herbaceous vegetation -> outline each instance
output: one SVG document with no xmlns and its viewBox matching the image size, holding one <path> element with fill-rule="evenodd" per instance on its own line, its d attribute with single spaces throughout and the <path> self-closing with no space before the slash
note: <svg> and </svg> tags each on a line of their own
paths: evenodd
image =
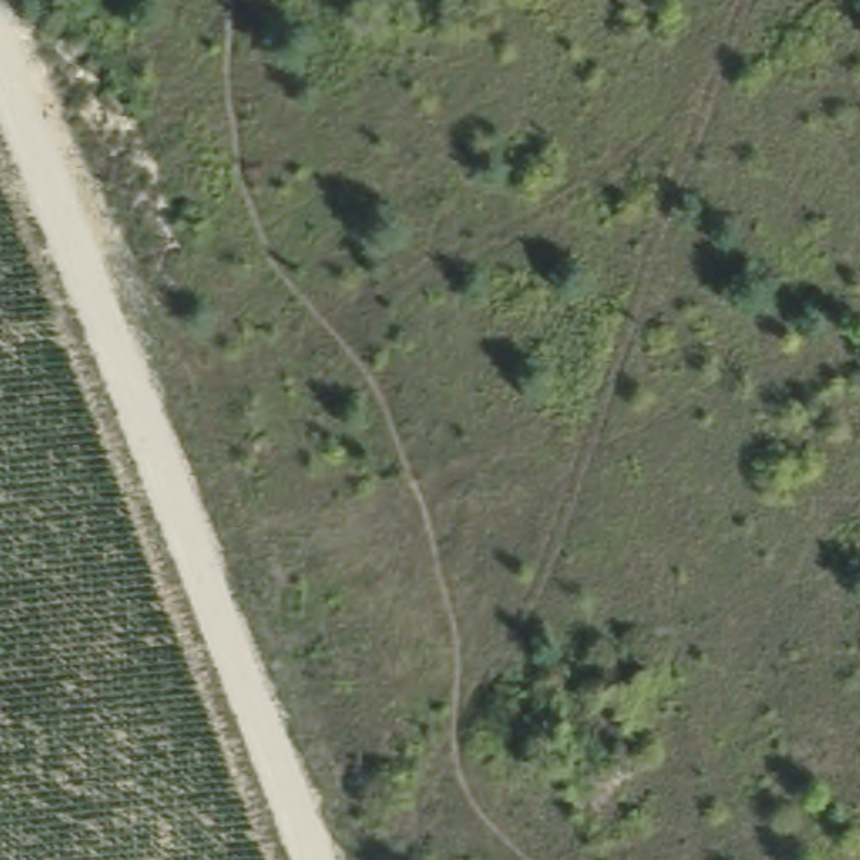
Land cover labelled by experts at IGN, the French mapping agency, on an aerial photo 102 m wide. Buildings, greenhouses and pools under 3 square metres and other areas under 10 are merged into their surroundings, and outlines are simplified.
<svg viewBox="0 0 860 860">
<path fill-rule="evenodd" d="M 836 326 L 823 316 L 813 323 L 813 329 L 800 336 L 800 353 L 786 353 L 786 336 L 763 333 L 759 323 L 742 316 L 742 309 L 732 299 L 702 286 L 692 269 L 699 225 L 679 222 L 672 212 L 658 208 L 658 181 L 672 178 L 682 188 L 699 188 L 716 208 L 726 212 L 726 252 L 742 252 L 746 259 L 763 255 L 773 269 L 783 269 L 783 279 L 789 286 L 820 286 L 823 292 L 843 299 L 850 309 L 860 312 L 860 67 L 847 71 L 840 67 L 840 60 L 833 60 L 813 64 L 806 71 L 783 71 L 769 81 L 769 87 L 759 97 L 749 97 L 736 81 L 726 81 L 719 67 L 719 47 L 753 54 L 766 27 L 793 17 L 793 10 L 783 0 L 679 0 L 685 7 L 685 30 L 679 34 L 669 30 L 662 20 L 658 27 L 648 27 L 645 7 L 638 0 L 628 0 L 621 13 L 628 20 L 628 30 L 618 34 L 601 24 L 581 47 L 571 50 L 558 47 L 554 34 L 538 27 L 534 17 L 514 13 L 501 27 L 507 47 L 497 54 L 490 50 L 490 40 L 353 40 L 346 27 L 333 37 L 319 37 L 319 27 L 309 27 L 306 34 L 292 37 L 292 44 L 282 50 L 259 50 L 249 34 L 235 30 L 232 13 L 222 0 L 161 0 L 171 10 L 168 27 L 131 47 L 131 57 L 141 57 L 144 64 L 138 87 L 148 87 L 144 104 L 151 114 L 138 121 L 131 131 L 91 128 L 74 141 L 81 148 L 87 171 L 101 185 L 111 218 L 131 249 L 134 275 L 144 286 L 148 312 L 134 326 L 148 366 L 158 380 L 165 417 L 181 443 L 202 507 L 222 548 L 232 601 L 249 625 L 252 645 L 282 709 L 286 736 L 302 763 L 302 773 L 309 786 L 319 793 L 319 816 L 333 843 L 346 857 L 356 850 L 359 840 L 376 836 L 396 853 L 413 847 L 420 860 L 773 860 L 756 840 L 753 813 L 753 773 L 766 763 L 766 756 L 789 756 L 803 769 L 810 769 L 813 786 L 830 786 L 830 793 L 843 800 L 836 803 L 836 820 L 847 823 L 850 833 L 860 833 L 860 585 L 843 588 L 833 571 L 820 564 L 820 541 L 860 548 L 860 403 L 840 396 L 830 403 L 833 427 L 850 427 L 847 443 L 833 443 L 830 430 L 813 430 L 813 423 L 806 423 L 796 433 L 796 440 L 806 443 L 806 457 L 796 457 L 793 464 L 806 467 L 810 460 L 823 460 L 823 477 L 796 490 L 796 504 L 766 507 L 759 490 L 746 487 L 739 474 L 742 443 L 749 443 L 759 433 L 786 437 L 783 417 L 766 410 L 759 390 L 786 380 L 810 380 L 816 366 L 843 363 L 847 349 L 840 343 Z M 279 84 L 272 84 L 272 81 L 265 77 L 265 67 L 282 67 L 282 71 L 292 71 L 296 77 L 302 77 L 306 91 L 302 91 L 299 97 L 289 97 L 289 94 L 286 94 L 286 91 L 282 91 Z M 494 121 L 494 134 L 474 138 L 474 148 L 487 151 L 487 171 L 467 171 L 450 151 L 450 128 L 467 114 Z M 544 134 L 548 144 L 568 151 L 568 175 L 558 188 L 541 195 L 541 205 L 517 205 L 521 185 L 507 185 L 507 148 L 517 148 L 527 134 Z M 363 181 L 380 195 L 380 232 L 366 249 L 373 269 L 356 269 L 349 252 L 339 245 L 343 222 L 329 212 L 316 185 L 316 175 L 343 175 Z M 188 249 L 185 242 L 178 242 L 171 222 L 165 218 L 171 198 L 198 198 L 202 222 L 215 222 L 215 242 L 208 249 Z M 524 255 L 527 235 L 561 245 L 571 255 L 571 272 L 595 272 L 601 279 L 598 292 L 588 302 L 571 306 L 564 286 L 548 286 L 544 275 L 531 269 Z M 454 292 L 447 286 L 443 272 L 433 265 L 433 255 L 440 252 L 474 265 L 474 279 L 467 289 Z M 188 319 L 171 316 L 161 302 L 171 289 L 195 292 L 198 312 Z M 558 376 L 558 403 L 531 403 L 524 383 L 511 386 L 480 349 L 480 339 L 511 339 L 517 346 L 527 336 L 541 336 L 541 349 L 527 363 L 534 376 Z M 326 406 L 309 393 L 309 383 L 316 380 L 349 386 L 356 393 L 349 417 L 326 413 Z M 635 658 L 642 675 L 655 672 L 658 665 L 669 669 L 672 692 L 658 695 L 652 705 L 658 712 L 672 712 L 672 719 L 655 719 L 645 726 L 652 742 L 669 746 L 665 763 L 645 773 L 645 779 L 625 783 L 615 793 L 615 803 L 608 803 L 605 810 L 591 810 L 591 800 L 574 800 L 571 816 L 561 816 L 554 810 L 554 800 L 564 800 L 564 793 L 551 786 L 551 773 L 538 769 L 531 759 L 514 759 L 504 746 L 511 719 L 521 709 L 521 702 L 527 699 L 541 709 L 554 709 L 554 695 L 551 689 L 544 689 L 541 679 L 534 682 L 534 689 L 521 689 L 524 652 L 507 635 L 507 628 L 497 625 L 494 608 L 534 615 L 541 618 L 541 628 L 551 625 L 568 642 L 578 625 L 591 625 L 598 632 L 598 642 L 588 648 L 588 662 L 598 669 L 618 665 L 625 658 Z M 363 816 L 349 816 L 343 789 L 346 756 L 393 756 L 393 736 L 403 736 L 406 756 L 417 766 L 403 773 L 376 773 L 373 783 L 363 789 Z"/>
<path fill-rule="evenodd" d="M 826 47 L 836 57 L 860 54 L 860 0 L 816 0 L 806 10 L 806 24 L 826 34 Z"/>
<path fill-rule="evenodd" d="M 813 813 L 803 800 L 773 816 L 773 830 L 796 836 L 803 843 L 806 860 L 850 860 L 843 840 L 830 840 L 820 830 L 820 813 Z"/>
</svg>

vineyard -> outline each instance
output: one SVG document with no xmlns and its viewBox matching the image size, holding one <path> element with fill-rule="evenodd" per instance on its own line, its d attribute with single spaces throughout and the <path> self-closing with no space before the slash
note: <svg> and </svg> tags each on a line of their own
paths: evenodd
<svg viewBox="0 0 860 860">
<path fill-rule="evenodd" d="M 47 235 L 37 215 L 30 212 L 30 202 L 24 198 L 20 168 L 0 131 L 0 860 L 292 860 L 275 826 L 255 763 L 249 756 L 239 719 L 222 689 L 222 675 L 202 635 L 178 564 L 168 551 L 161 521 L 155 517 L 155 507 L 148 501 L 138 460 L 121 430 L 118 406 L 104 386 L 84 323 L 71 306 L 60 269 L 47 255 Z"/>
</svg>

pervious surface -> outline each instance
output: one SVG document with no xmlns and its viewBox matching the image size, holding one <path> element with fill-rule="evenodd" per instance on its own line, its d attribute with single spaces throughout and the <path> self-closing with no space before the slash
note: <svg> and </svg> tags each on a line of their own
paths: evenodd
<svg viewBox="0 0 860 860">
<path fill-rule="evenodd" d="M 249 625 L 232 601 L 222 548 L 202 507 L 181 443 L 165 417 L 158 380 L 148 366 L 134 326 L 128 326 L 118 306 L 114 279 L 104 265 L 104 252 L 94 242 L 91 218 L 84 215 L 77 195 L 77 181 L 87 171 L 81 148 L 74 141 L 64 124 L 60 97 L 50 84 L 47 64 L 34 50 L 34 30 L 3 0 L 0 0 L 0 131 L 20 168 L 24 198 L 30 202 L 30 212 L 37 215 L 47 235 L 47 255 L 60 269 L 71 306 L 84 323 L 104 386 L 118 406 L 121 430 L 138 460 L 148 501 L 155 507 L 155 517 L 161 521 L 168 551 L 178 564 L 202 635 L 222 675 L 222 689 L 239 719 L 249 756 L 255 763 L 275 826 L 292 860 L 346 860 L 346 857 L 333 843 L 319 816 L 319 793 L 309 786 L 302 773 L 302 763 L 286 736 L 282 709 L 252 645 Z"/>
</svg>

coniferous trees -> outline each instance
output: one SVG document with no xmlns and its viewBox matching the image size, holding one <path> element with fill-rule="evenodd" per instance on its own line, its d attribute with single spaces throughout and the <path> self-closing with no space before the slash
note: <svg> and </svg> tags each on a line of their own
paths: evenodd
<svg viewBox="0 0 860 860">
<path fill-rule="evenodd" d="M 615 803 L 615 793 L 625 783 L 645 779 L 645 773 L 665 763 L 669 746 L 652 742 L 645 726 L 655 719 L 672 719 L 672 712 L 658 712 L 652 705 L 658 695 L 672 692 L 669 669 L 658 665 L 655 672 L 642 675 L 635 658 L 625 658 L 618 665 L 598 669 L 588 662 L 588 648 L 598 642 L 598 632 L 591 625 L 578 625 L 568 642 L 551 625 L 541 628 L 541 618 L 534 615 L 494 608 L 497 625 L 507 628 L 507 635 L 524 652 L 521 689 L 534 689 L 534 682 L 541 679 L 544 689 L 551 689 L 554 695 L 554 709 L 541 709 L 527 699 L 521 702 L 521 709 L 511 719 L 504 746 L 514 759 L 531 759 L 538 769 L 551 773 L 551 786 L 564 793 L 564 800 L 554 800 L 554 810 L 561 816 L 571 816 L 574 800 L 591 800 L 591 810 L 605 810 L 608 803 Z"/>
<path fill-rule="evenodd" d="M 669 30 L 679 34 L 685 30 L 685 7 L 679 0 L 638 0 L 645 7 L 648 27 L 658 27 L 662 20 Z"/>
<path fill-rule="evenodd" d="M 165 218 L 171 222 L 178 242 L 185 242 L 188 249 L 208 249 L 215 242 L 215 222 L 202 222 L 198 198 L 171 198 Z"/>
<path fill-rule="evenodd" d="M 860 548 L 820 541 L 820 564 L 833 571 L 843 588 L 860 585 Z"/>
<path fill-rule="evenodd" d="M 356 269 L 373 269 L 366 249 L 380 232 L 380 195 L 363 181 L 343 175 L 316 175 L 316 185 L 329 212 L 343 222 L 339 245 L 349 252 Z"/>
<path fill-rule="evenodd" d="M 763 333 L 786 336 L 786 353 L 800 353 L 800 336 L 813 329 L 813 323 L 823 316 L 836 326 L 840 343 L 847 349 L 843 363 L 816 366 L 810 380 L 786 380 L 759 390 L 766 410 L 783 417 L 786 437 L 759 433 L 749 443 L 742 443 L 739 474 L 746 487 L 759 490 L 766 507 L 796 504 L 796 490 L 823 477 L 823 460 L 810 460 L 806 467 L 793 464 L 796 457 L 806 457 L 806 443 L 796 440 L 796 433 L 806 423 L 813 423 L 813 430 L 830 430 L 833 443 L 847 443 L 850 427 L 833 427 L 830 403 L 840 396 L 860 403 L 860 312 L 850 309 L 843 299 L 823 292 L 820 286 L 789 286 L 783 279 L 783 269 L 773 269 L 763 255 L 746 259 L 742 252 L 726 252 L 726 212 L 716 208 L 699 188 L 682 188 L 672 178 L 658 181 L 658 208 L 672 212 L 679 222 L 699 225 L 692 269 L 702 286 L 732 299 L 742 309 L 742 316 L 759 323 Z"/>
<path fill-rule="evenodd" d="M 343 789 L 349 816 L 363 816 L 363 789 L 373 783 L 376 773 L 403 773 L 417 766 L 406 756 L 403 736 L 393 736 L 393 756 L 346 756 Z"/>
<path fill-rule="evenodd" d="M 286 94 L 289 94 L 289 97 L 299 97 L 302 91 L 306 91 L 302 77 L 296 77 L 292 71 L 282 71 L 282 67 L 265 67 L 265 77 L 272 81 L 272 84 L 279 84 L 282 91 L 286 91 Z"/>
<path fill-rule="evenodd" d="M 527 336 L 517 346 L 511 339 L 480 339 L 480 349 L 511 386 L 524 383 L 531 403 L 558 403 L 558 376 L 534 376 L 527 363 L 541 349 L 541 336 Z"/>
<path fill-rule="evenodd" d="M 759 97 L 769 87 L 769 81 L 783 71 L 806 71 L 813 64 L 833 60 L 840 60 L 840 67 L 847 71 L 860 67 L 860 54 L 836 57 L 826 47 L 826 34 L 806 24 L 806 10 L 816 0 L 783 0 L 793 10 L 793 17 L 766 27 L 753 54 L 719 47 L 719 67 L 726 81 L 736 81 L 749 97 Z"/>
<path fill-rule="evenodd" d="M 309 383 L 309 393 L 326 406 L 326 413 L 349 417 L 356 393 L 349 386 L 316 380 Z"/>
<path fill-rule="evenodd" d="M 413 847 L 396 853 L 376 836 L 359 840 L 356 850 L 346 857 L 346 860 L 420 860 Z"/>
<path fill-rule="evenodd" d="M 195 292 L 171 289 L 161 302 L 171 316 L 188 319 L 198 312 Z"/>
<path fill-rule="evenodd" d="M 467 114 L 450 128 L 450 151 L 467 171 L 487 171 L 487 151 L 474 148 L 474 138 L 494 134 L 494 121 Z"/>
<path fill-rule="evenodd" d="M 507 148 L 507 185 L 521 185 L 517 205 L 541 205 L 541 195 L 558 188 L 568 175 L 568 151 L 548 144 L 544 134 L 527 134 L 517 148 Z"/>
<path fill-rule="evenodd" d="M 433 255 L 433 265 L 443 272 L 447 286 L 454 292 L 467 289 L 474 279 L 474 265 L 440 252 Z"/>
<path fill-rule="evenodd" d="M 501 27 L 514 13 L 534 17 L 538 27 L 554 34 L 558 47 L 571 50 L 581 47 L 601 24 L 618 34 L 628 30 L 628 20 L 621 13 L 628 0 L 222 0 L 232 13 L 235 30 L 249 34 L 259 50 L 282 50 L 292 44 L 292 37 L 306 34 L 309 27 L 319 27 L 319 37 L 333 37 L 346 27 L 353 40 L 490 40 L 490 50 L 497 54 L 507 47 Z"/>
<path fill-rule="evenodd" d="M 94 242 L 104 252 L 104 265 L 114 279 L 118 306 L 128 326 L 134 326 L 148 312 L 144 286 L 134 275 L 131 249 L 111 218 L 101 185 L 87 171 L 77 181 L 77 195 L 84 215 L 91 218 Z"/>
<path fill-rule="evenodd" d="M 131 131 L 138 121 L 151 114 L 144 104 L 148 87 L 138 87 L 144 64 L 141 57 L 131 57 L 131 47 L 168 27 L 171 10 L 161 0 L 3 0 L 34 30 L 34 50 L 47 64 L 50 84 L 60 97 L 64 124 L 74 141 L 91 128 Z"/>
<path fill-rule="evenodd" d="M 571 255 L 561 245 L 527 235 L 524 255 L 531 269 L 544 275 L 548 286 L 564 286 L 571 306 L 588 302 L 598 292 L 601 279 L 595 272 L 571 272 Z"/>
<path fill-rule="evenodd" d="M 803 843 L 796 836 L 773 830 L 773 816 L 803 800 L 813 813 L 820 813 L 820 830 L 830 840 L 843 840 L 850 860 L 860 860 L 860 833 L 850 833 L 847 823 L 836 820 L 836 803 L 843 800 L 830 793 L 830 786 L 813 786 L 810 769 L 803 769 L 789 756 L 766 756 L 766 763 L 753 773 L 753 813 L 756 840 L 773 860 L 806 860 Z"/>
</svg>

